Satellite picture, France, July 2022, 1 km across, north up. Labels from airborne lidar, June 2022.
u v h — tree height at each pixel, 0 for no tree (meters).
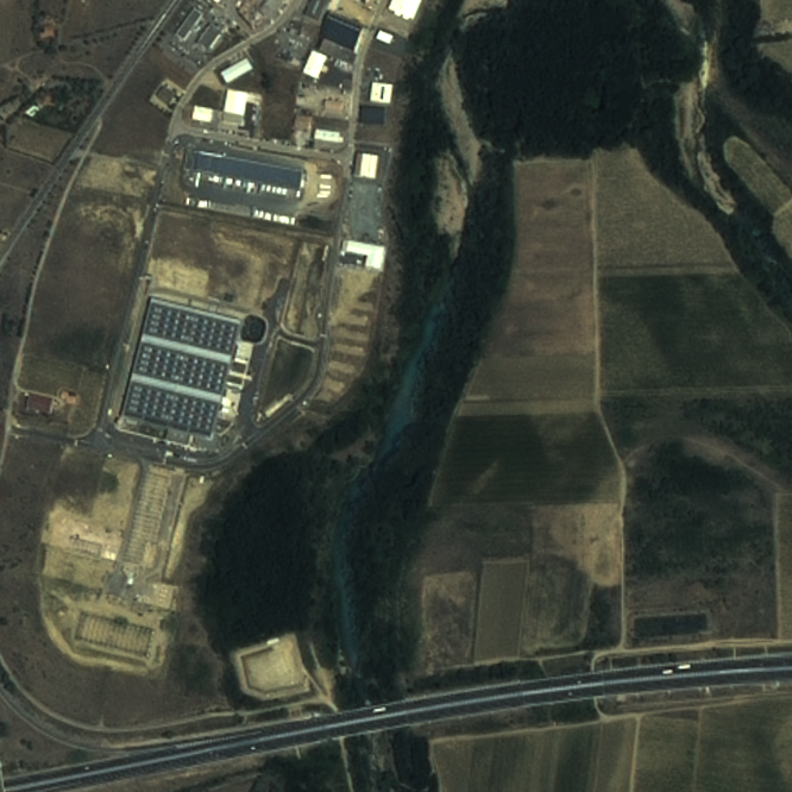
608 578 0
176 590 0
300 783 7
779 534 0
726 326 0
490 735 0
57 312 0
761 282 7
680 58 12
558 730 0
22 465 0
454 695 0
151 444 0
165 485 0
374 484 21
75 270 0
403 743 11
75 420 0
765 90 14
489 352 0
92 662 0
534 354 0
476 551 0
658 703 0
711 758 0
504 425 0
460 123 0
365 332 0
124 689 0
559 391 0
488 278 23
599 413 0
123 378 0
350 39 0
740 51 18
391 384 7
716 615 0
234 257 0
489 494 0
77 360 0
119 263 0
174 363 0
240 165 0
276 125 0
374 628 7
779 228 0
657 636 0
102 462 0
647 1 21
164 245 0
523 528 0
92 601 0
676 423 0
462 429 0
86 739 0
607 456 0
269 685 0
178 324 0
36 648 0
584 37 18
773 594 0
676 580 0
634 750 0
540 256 0
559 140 14
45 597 0
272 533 21
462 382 12
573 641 0
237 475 0
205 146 0
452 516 0
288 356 0
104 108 0
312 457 7
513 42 26
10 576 0
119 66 0
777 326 0
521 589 0
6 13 0
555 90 26
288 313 0
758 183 0
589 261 0
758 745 0
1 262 0
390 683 9
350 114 0
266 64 0
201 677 0
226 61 0
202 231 0
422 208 16
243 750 0
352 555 6
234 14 0
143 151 0
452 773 0
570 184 0
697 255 0
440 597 0
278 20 0
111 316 0
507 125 12
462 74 17
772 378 0
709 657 0
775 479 0
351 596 9
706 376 0
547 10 25
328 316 0
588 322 0
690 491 11
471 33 12
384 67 0
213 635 7
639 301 0
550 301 0
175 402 0
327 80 0
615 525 0
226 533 12
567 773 0
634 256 0
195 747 0
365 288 0
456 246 0
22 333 7
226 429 0
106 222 0
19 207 0
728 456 0
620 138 17
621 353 0
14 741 0
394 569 6
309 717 0
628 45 23
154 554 0
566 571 0
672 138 15
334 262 0
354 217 0
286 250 0
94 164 0
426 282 10
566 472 0
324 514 8
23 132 0
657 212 0
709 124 7
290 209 0
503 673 13
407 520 16
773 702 0
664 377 0
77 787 0
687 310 0
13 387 0
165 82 0
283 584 23
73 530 0
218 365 0
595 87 26
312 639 0
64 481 0
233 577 15
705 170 0
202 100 0
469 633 0
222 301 0
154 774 0
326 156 0
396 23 0
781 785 0
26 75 0
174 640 0
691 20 0
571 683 0
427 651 0
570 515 0
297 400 0
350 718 0
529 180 0
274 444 0
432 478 19
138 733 0
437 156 18
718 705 0
